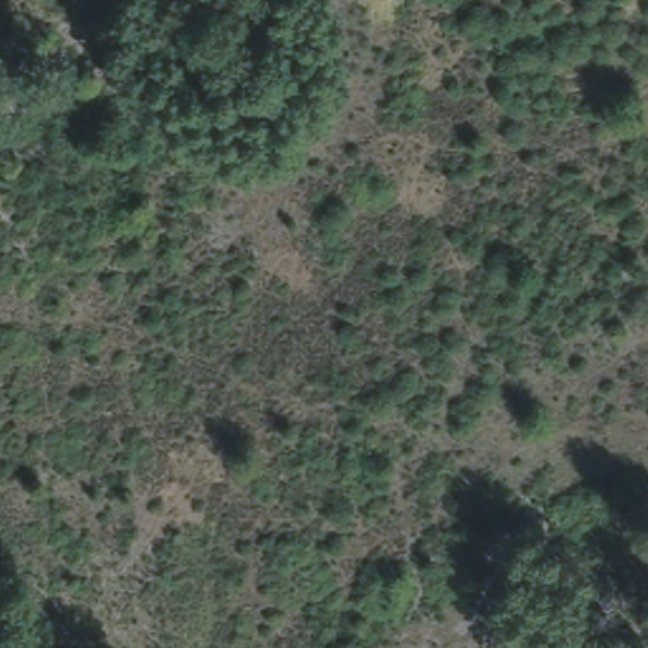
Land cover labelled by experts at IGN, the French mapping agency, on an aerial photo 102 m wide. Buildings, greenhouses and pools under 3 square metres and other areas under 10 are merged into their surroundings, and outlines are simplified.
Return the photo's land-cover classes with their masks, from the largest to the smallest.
<instances>
[{"label":"brushwood","instance_id":"1","mask_svg":"<svg viewBox=\"0 0 648 648\"><path fill-rule=\"evenodd\" d=\"M134 0H0V41H15L38 68L43 66L53 73L73 71L76 78L91 81L96 68L104 71L122 53V15ZM453 5V13L438 15V25H458L471 48L458 63H453L443 73L440 86H420L423 53L415 46L392 41L390 48H372V58L390 66V76L382 84V96L377 99V122L387 132H402L408 127L418 129L420 134H428L430 142L451 144L446 154L433 152L425 162L428 175L446 177V185L435 190L446 197L443 208L435 215H413L395 200V182L382 177L375 162L349 170H337L329 165L321 177L304 172L294 180L304 187L306 205L311 213L306 233H299L294 225H286V230L291 233V251L301 253V261L311 273V286L306 294L291 289L271 271L256 266V258L251 253V235H240L228 248H213L208 243L210 228L197 218L195 210L200 205L213 208L215 187L225 185V180L218 177V170L190 172L187 167H180L175 175L147 177L142 167H86L81 162L89 152L84 147H71L63 139V124L68 111H56L41 124V142L0 149V289L15 286L18 291H23L25 299L35 296L43 314H56L61 299L71 296L73 289H86L94 281H99L101 289L111 296V301L104 309V316L94 314L84 327H63L58 334L53 324H38V329H33L30 334L18 321L0 324V572L18 577L25 595H33L41 602L53 600L58 608L63 605L58 595L66 592L71 582H84V575H73L71 570L78 559L91 562L94 542L89 539V529H78L76 534L68 532V524L63 519V499H56L51 489L41 486L38 473L53 468L63 478H73L76 473L86 471V476L91 478L81 486L86 496H96L99 501L106 496L127 501L129 489L124 471H134L137 466L149 463L152 448L159 440L182 438L187 446H210L220 456L225 473L220 483L210 486L208 496L190 501V506L203 514V524H167L162 529V537L152 544V552L157 554V580L139 585L142 610L152 618V628L144 633L147 648H387L390 640H395V635L408 625H418L425 618L440 623L443 610H451L456 602L453 590L448 587L446 570L415 567L413 542L420 537L425 527L438 524L448 514L443 509V494L448 491L451 478L461 471L451 458L463 456L461 443L478 433L481 413L494 410L501 402V385L521 380V370H534L537 375L544 372L549 367V359H559L557 342L582 329L595 332L600 327L602 311H610V316L625 324L638 304L648 306V134L643 132L638 137L605 142L597 134L608 132L618 122V111L638 91L635 84L648 73V0H448ZM458 124H471L478 132V142L461 144L453 137V129ZM122 190L144 192L147 203L139 210H134L127 220L116 223L106 215L111 197ZM137 537V524L127 514L122 519V529L116 532V552L124 557L129 554L132 539Z\"/></svg>","mask_w":648,"mask_h":648},{"label":"herbaceous vegetation","instance_id":"2","mask_svg":"<svg viewBox=\"0 0 648 648\"><path fill-rule=\"evenodd\" d=\"M337 13L347 23L349 41L354 43V51L349 56L352 66L347 68L349 104L339 114L332 137L309 152L304 172L321 177L329 165L337 170H349L375 162L382 177L395 182V200L413 215H435L443 208L446 197L435 190L446 185V177L428 175L425 162L433 152L446 154L451 144L430 142L428 134H420L418 129L408 127L402 132H387L377 122V99L382 96V84L390 76V66L372 58V48H390L392 41L415 46L423 53L420 86H440L443 73L453 63H458L471 48L458 25H438V15L453 13V5L448 0H332ZM119 109L109 101V96H96L91 101H76L68 111L63 124V139L71 147H84L89 152L99 149L104 132L116 122ZM453 137L461 144L478 142V132L471 124H458L453 129ZM197 218L210 228L208 243L213 248H228L240 235H251V253L256 258V266L271 271L291 289L306 294L311 286V273L301 261V253L291 251V233L286 230V225H294L299 233H306L311 213L306 205L304 187L294 180L271 190L253 192H240L225 185L215 187L213 208L200 205L195 210ZM147 203L144 192L122 190L111 197L106 215L116 223L127 220L134 210H139ZM111 301V296L101 289L99 281H94L86 289H73L71 296L61 299L56 314H43L35 296L25 299L23 291H18L15 286L0 289V324L18 321L30 334L33 329H38V324H53L58 334L63 327H84L94 314L104 316V309ZM559 359H549V367L544 372L537 375L534 370H521V380L501 385V402L494 410L481 413L478 433L461 443L463 456L451 458L461 471L451 478L448 491L443 494V509L448 514L438 524L425 527L420 537L413 542L415 567L446 570L448 587L453 590L456 602L451 610H443L440 623L425 618L418 625H408L395 635V640H390L387 648H491L494 610L504 592L506 572L516 562V554L529 549L534 539H542L544 516L529 509V504L532 499L547 501L552 494L567 489L575 478L590 496H600L608 509V521L590 529L582 537V542L590 547V557H600L592 590L605 595L608 600H628L630 610L640 608L648 600V306L638 304L625 324L610 316V311H602L600 327L595 332L582 329L557 342ZM537 418L554 420L557 438L552 443H529V430ZM225 473L220 456L210 446H187L182 438L159 440L152 448L149 463L137 466L134 471H124L129 489L127 501L106 496L99 501L96 496H86L81 486L91 478L86 476V471L76 473L73 478H63L53 468L38 473L41 486L51 489L56 499H63V519L68 524V532L76 534L78 529H89V539L94 542L91 562L78 559L71 570L73 575H84V582H71L66 592L58 595L63 605L91 610L111 648H147L144 633L152 628V618L142 610L139 585L157 580V554L152 552V544L162 537V529L167 524H203V514L190 506V501L208 496L210 486L220 483ZM127 514L137 524V537L132 539L129 554L124 557L116 552V532L122 529V519Z\"/></svg>","mask_w":648,"mask_h":648},{"label":"deciduous trees","instance_id":"3","mask_svg":"<svg viewBox=\"0 0 648 648\"><path fill-rule=\"evenodd\" d=\"M122 53L104 71L96 68L91 81L76 78L73 71L53 73L43 66L38 68L15 41H0V149L41 142V124L56 111H68L76 101H91L96 96H109V101L119 109L116 122L104 132L99 149L89 152L81 162L86 167H142L147 177L175 175L180 167H187L190 172L218 170V177L225 180V185L240 192H253L271 190L294 180L304 172L309 152L332 137L339 114L349 104L347 68L352 66L349 56L354 51V43L349 41L347 23L337 13L332 0H134L122 15ZM638 91L618 111V122L608 132L597 134L605 142L638 137L643 132L648 134V73L635 84ZM557 438L554 420L537 418L529 430V443H552ZM529 509L544 516L542 539H534L529 549L516 554V562L506 572L504 592L494 610L491 648H648V600L640 608L630 610L628 600H608L605 595L592 590L600 557H590V547L582 542V537L590 529L608 521V509L600 496H590L575 478L567 489L552 494L547 501L532 499L529 504ZM0 648H111L91 610L63 605L58 608L53 600L41 602L33 595H25L18 577L0 572Z\"/></svg>","mask_w":648,"mask_h":648}]
</instances>
